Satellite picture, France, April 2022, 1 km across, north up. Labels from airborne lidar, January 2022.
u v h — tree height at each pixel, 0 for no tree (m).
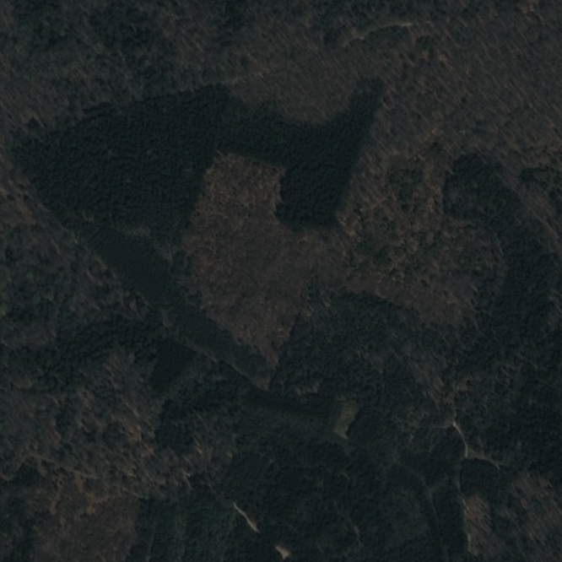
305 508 20
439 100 29
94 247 17
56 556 11
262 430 18
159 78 29
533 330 26
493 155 27
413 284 13
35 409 29
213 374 12
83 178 28
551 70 29
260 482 9
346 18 28
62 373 25
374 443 16
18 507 9
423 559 26
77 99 22
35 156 28
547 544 17
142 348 30
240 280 7
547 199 21
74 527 11
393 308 16
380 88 24
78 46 28
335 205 32
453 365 16
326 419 18
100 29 32
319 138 23
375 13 25
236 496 9
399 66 29
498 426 12
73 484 6
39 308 28
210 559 18
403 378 23
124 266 17
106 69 28
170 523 16
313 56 19
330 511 16
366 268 7
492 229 16
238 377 28
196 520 14
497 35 29
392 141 29
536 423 9
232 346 15
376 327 20
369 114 25
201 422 30
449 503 23
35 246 28
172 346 18
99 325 27
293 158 19
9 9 33
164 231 22
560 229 19
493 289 27
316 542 14
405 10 24
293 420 21
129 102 22
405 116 32
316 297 11
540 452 24
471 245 12
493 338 28
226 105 24
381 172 25
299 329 14
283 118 17
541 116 27
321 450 22
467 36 27
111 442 26
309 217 6
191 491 30
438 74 29
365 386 23
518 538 18
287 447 17
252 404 23
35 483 9
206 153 22
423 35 28
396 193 9
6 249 34
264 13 20
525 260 18
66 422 26
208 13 12
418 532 15
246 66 22
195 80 22
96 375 31
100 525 11
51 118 29
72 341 33
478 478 22
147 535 20
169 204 25
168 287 16
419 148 12
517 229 16
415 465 12
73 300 29
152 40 26
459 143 33
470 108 32
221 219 7
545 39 24
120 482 28
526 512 19
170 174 25
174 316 14
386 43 23
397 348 21
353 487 14
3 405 30
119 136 23
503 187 29
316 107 24
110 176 25
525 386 10
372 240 9
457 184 25
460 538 21
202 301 12
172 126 22
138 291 15
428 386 21
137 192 32
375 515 22
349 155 22
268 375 15
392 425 23
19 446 28
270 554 18
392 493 16
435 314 7
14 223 31
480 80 28
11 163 29
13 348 28
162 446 28
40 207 30
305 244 10
